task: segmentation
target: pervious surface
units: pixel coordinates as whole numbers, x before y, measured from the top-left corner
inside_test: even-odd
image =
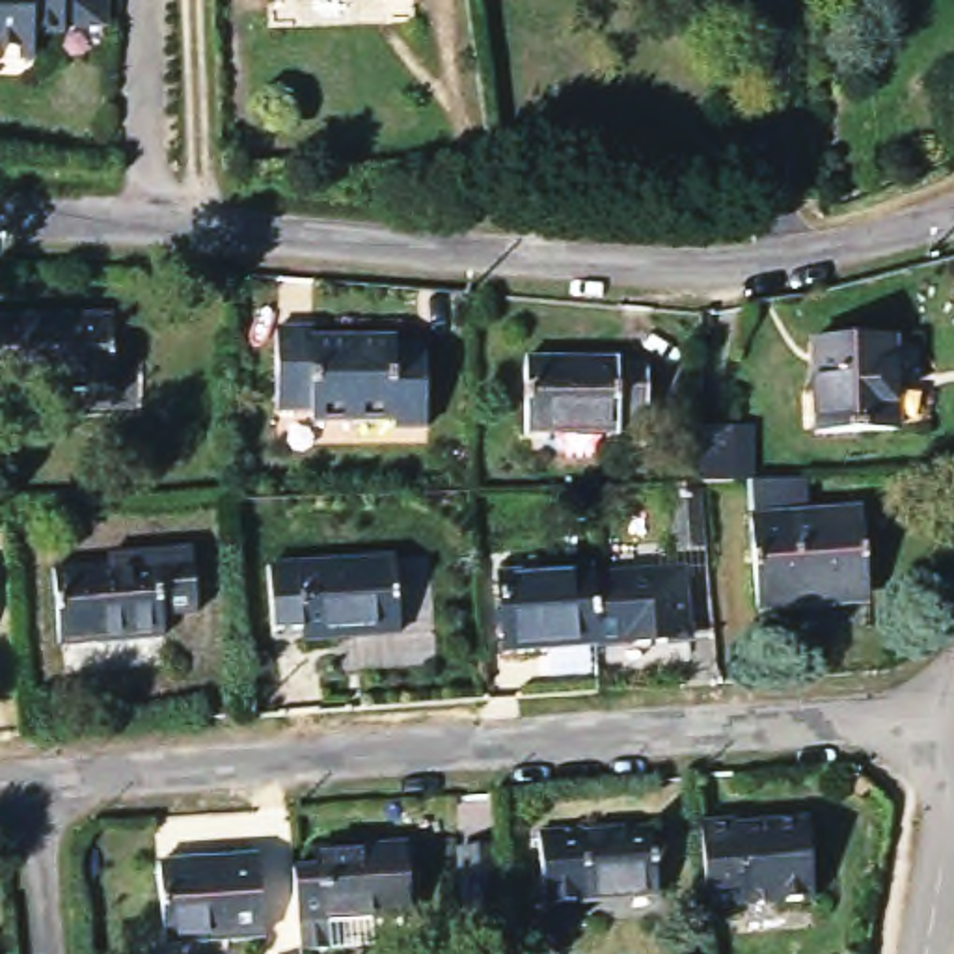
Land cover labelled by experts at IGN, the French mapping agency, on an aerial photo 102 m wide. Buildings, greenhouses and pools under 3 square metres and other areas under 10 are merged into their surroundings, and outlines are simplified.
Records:
[[[0,704],[0,756],[7,764],[26,760],[37,745],[19,734],[19,704],[7,697]]]
[[[97,522],[89,537],[71,533],[71,552],[112,548],[138,533],[212,533],[212,511],[164,514],[157,525],[145,525],[145,518],[138,514],[116,514]]]
[[[492,119],[484,75],[458,67],[458,52],[477,41],[470,0],[414,0],[414,11],[432,15],[443,71],[436,75],[417,60],[417,52],[410,48],[414,26],[406,19],[376,22],[406,75],[432,89],[451,134],[466,134],[470,127],[488,127]]]
[[[52,555],[37,559],[41,663],[45,675],[67,671],[63,648],[75,641],[63,619],[52,619],[52,593],[63,589],[60,563]]]
[[[160,637],[160,645],[183,641],[194,652],[194,663],[220,682],[216,596],[209,604],[194,600],[190,607],[183,607],[179,626],[160,630]]]
[[[581,935],[570,947],[555,947],[548,954],[663,954],[663,943],[656,935],[641,932],[641,913],[611,917],[600,906],[589,906]]]
[[[153,194],[186,201],[194,212],[220,198],[216,179],[212,123],[205,0],[179,0],[186,179],[175,183],[168,171],[171,116],[164,82],[164,0],[127,0],[127,45],[123,97],[127,134],[138,142],[138,160],[130,164],[119,194],[82,198],[82,209],[93,216],[145,216]]]
[[[529,827],[529,838],[540,872],[548,868],[548,824],[596,812],[663,812],[675,801],[686,786],[675,779],[656,790],[559,801],[555,809],[548,809],[540,824]]]
[[[283,708],[261,712],[261,719],[246,727],[253,730],[253,738],[298,738],[320,734],[328,727],[425,727],[473,719],[492,701],[488,697],[399,697],[320,708],[309,719],[291,719]]]

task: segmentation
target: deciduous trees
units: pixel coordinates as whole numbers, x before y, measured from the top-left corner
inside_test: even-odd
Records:
[[[30,682],[22,689],[11,686],[7,697],[19,704],[19,734],[37,745],[52,749],[82,738],[116,738],[108,730],[104,697],[97,697],[86,686],[41,689],[37,682]]]
[[[19,861],[22,868],[48,835],[48,790],[34,783],[0,783],[0,861]]]
[[[909,540],[920,540],[928,552],[954,548],[954,455],[947,455],[935,466],[894,473],[883,488],[883,511],[902,525]]]
[[[440,917],[421,924],[417,932],[402,928],[373,928],[358,954],[548,954],[555,947],[570,947],[581,935],[589,906],[559,902],[555,879],[544,879],[540,872],[529,838],[522,835],[511,842],[511,868],[496,868],[492,846],[481,846],[481,861],[462,865],[458,876],[462,898],[477,906],[473,920]]]
[[[760,0],[637,0],[637,15],[626,34],[637,34],[641,41],[682,34],[686,41],[693,41],[697,52],[712,56],[708,82],[716,89],[701,97],[701,108],[712,123],[764,116],[775,108],[812,108],[816,119],[831,127],[835,101],[865,101],[894,78],[898,56],[909,45],[909,37],[898,30],[894,0],[805,0],[805,19],[797,26],[768,26],[764,19],[749,15]]]
[[[294,130],[298,108],[291,89],[265,86],[261,93],[250,93],[239,104],[246,123],[272,134],[287,138]]]
[[[224,294],[209,279],[190,276],[183,265],[130,272],[130,287],[119,298],[138,306],[134,328],[149,335],[157,328],[194,324],[201,306],[224,302]]]
[[[634,410],[634,417],[622,421],[619,436],[596,443],[593,462],[604,473],[619,477],[619,484],[604,492],[604,503],[596,511],[574,514],[559,496],[552,496],[540,507],[540,552],[563,544],[596,544],[611,552],[611,544],[630,529],[630,518],[641,514],[641,488],[716,488],[719,477],[708,477],[697,466],[697,455],[693,432],[667,406],[652,402]]]
[[[954,52],[939,56],[924,75],[924,89],[932,101],[928,130],[947,149],[947,157],[954,157]]]
[[[745,626],[742,641],[727,637],[730,671],[723,678],[734,678],[742,689],[760,686],[812,682],[827,671],[820,648],[801,648],[786,630],[768,630],[760,619]]]
[[[287,145],[279,160],[257,160],[257,171],[250,179],[231,179],[227,171],[216,179],[220,198],[250,198],[261,190],[276,190],[283,201],[283,216],[380,224],[406,235],[462,235],[477,224],[492,224],[499,231],[615,246],[745,242],[771,235],[779,216],[764,198],[764,186],[749,183],[742,171],[723,171],[719,179],[652,179],[641,164],[611,160],[596,127],[566,130],[548,123],[548,130],[522,130],[511,142],[477,142],[473,157],[443,153],[429,168],[425,183],[417,183],[406,171],[380,171],[361,164],[335,183],[328,168],[332,157],[324,149],[313,149],[309,138]]]
[[[920,663],[924,671],[954,645],[954,619],[935,593],[924,593],[913,578],[898,578],[894,570],[879,589],[872,626],[894,656]]]
[[[86,425],[86,414],[67,410],[63,399],[45,384],[45,365],[37,354],[22,350],[19,343],[0,347],[0,514],[26,529],[37,559],[52,555],[60,563],[71,552],[71,533],[89,537],[97,522],[116,514],[127,492],[153,492],[153,470],[134,451],[127,451],[112,432],[86,440],[78,470],[67,481],[37,477],[37,470],[48,462],[48,447],[63,432]]]

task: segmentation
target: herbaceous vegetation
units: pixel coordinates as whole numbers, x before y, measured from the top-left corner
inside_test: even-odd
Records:
[[[619,477],[604,473],[593,462],[559,455],[555,447],[533,447],[529,440],[522,440],[522,410],[518,365],[529,361],[533,350],[540,350],[548,339],[611,339],[615,354],[622,354],[622,421],[634,417],[634,410],[634,384],[652,384],[652,402],[667,406],[693,432],[697,455],[712,447],[716,429],[734,425],[734,417],[756,414],[764,421],[764,458],[756,462],[753,477],[794,477],[797,470],[794,462],[805,458],[920,455],[932,440],[947,455],[954,455],[954,384],[939,384],[935,395],[924,395],[920,421],[909,421],[898,429],[891,425],[887,432],[861,436],[812,436],[801,425],[805,395],[801,388],[809,361],[794,358],[775,335],[756,354],[756,373],[742,380],[730,361],[719,358],[727,328],[723,320],[701,324],[704,302],[660,302],[648,287],[615,283],[615,276],[600,268],[593,272],[593,283],[600,283],[604,294],[578,298],[566,283],[555,279],[443,279],[324,268],[313,283],[313,309],[335,317],[369,313],[361,320],[369,332],[395,328],[399,376],[429,380],[429,421],[429,440],[484,440],[484,462],[492,477],[544,477],[555,462],[581,466],[559,496],[574,514],[596,511],[604,503],[604,492],[619,484]],[[488,294],[496,309],[488,354],[499,358],[499,399],[477,399],[477,373],[462,373],[462,335],[455,335],[455,306],[470,302],[470,294]]]
[[[712,935],[693,932],[682,913],[682,898],[693,891],[697,879],[686,865],[675,887],[648,894],[648,909],[641,913],[641,932],[656,935],[663,943],[663,954],[716,954]]]
[[[201,943],[201,935],[183,935],[160,924],[160,906],[153,872],[157,831],[149,820],[116,820],[104,831],[101,846],[86,846],[82,883],[89,894],[93,924],[89,954],[265,954],[268,947],[235,943],[220,950],[212,943]]]
[[[220,119],[220,41],[212,30],[212,0],[205,0],[212,123]]]
[[[168,820],[257,812],[253,801],[231,794],[164,794],[149,805],[164,805]]]
[[[842,667],[827,671],[812,682],[760,686],[768,701],[879,701],[883,693],[902,689],[924,671],[920,663],[894,656],[872,626],[853,626]]]
[[[436,75],[443,71],[432,15],[414,11],[406,19],[414,26],[410,48],[417,52],[417,60]]]
[[[261,291],[253,298],[257,317],[250,339],[272,365],[272,417],[279,410],[291,410],[279,399],[279,324],[287,324],[291,317],[279,306],[279,287]]]
[[[596,693],[574,701],[522,701],[518,712],[555,716],[607,708]]]
[[[861,373],[879,373],[902,399],[924,373],[954,369],[954,265],[879,276],[876,283],[812,287],[801,298],[775,298],[783,306],[786,324],[805,343],[809,335],[853,328],[861,347]]]
[[[909,540],[902,525],[883,511],[883,488],[894,473],[865,470],[812,484],[812,503],[827,503],[838,492],[868,488],[861,496],[872,552],[868,581],[879,589],[894,570],[898,578],[913,578],[924,593],[935,593],[954,619],[954,548],[928,552],[920,540]]]
[[[335,790],[406,790],[417,797],[417,805],[324,805],[309,816],[317,838],[343,831],[350,824],[417,827],[410,835],[414,913],[402,917],[402,928],[417,932],[421,924],[440,917],[473,920],[477,906],[462,898],[458,876],[462,865],[481,861],[481,846],[492,846],[488,827],[458,831],[458,801],[466,794],[492,797],[499,794],[499,786],[514,783],[529,786],[566,779],[615,779],[615,771],[600,760],[525,760],[511,764],[507,771],[414,771],[384,779],[350,779]]]
[[[294,466],[306,451],[294,451],[272,421],[265,429],[268,466]]]
[[[716,771],[716,783],[723,801],[816,797],[820,783],[812,775],[805,775],[801,783],[764,783],[760,771],[816,768],[824,760],[842,756],[846,749],[842,742],[835,742],[775,756],[734,753],[675,760],[652,760],[634,753],[626,771],[626,779],[648,775],[656,790],[675,779],[693,768],[697,775]]]
[[[734,678],[723,678],[719,686],[701,686],[693,678],[686,678],[675,689],[626,686],[626,701],[619,701],[615,708],[727,704],[742,689]]]
[[[660,552],[678,555],[678,552],[671,525],[678,503],[689,503],[693,540],[704,544],[723,540],[719,607],[727,637],[742,641],[745,626],[760,619],[764,611],[753,481],[719,477],[716,488],[641,488],[641,514],[630,518],[630,529],[630,537],[648,533],[660,544]]]
[[[216,488],[216,477],[171,481],[168,470],[201,447],[209,429],[201,373],[212,361],[212,335],[227,324],[224,302],[201,306],[194,324],[157,328],[149,335],[149,358],[160,365],[168,384],[145,388],[142,410],[116,414],[108,421],[93,417],[89,410],[86,414],[86,425],[63,432],[48,447],[48,462],[37,470],[37,477],[67,481],[78,470],[86,440],[112,432],[127,451],[134,451],[153,470],[153,492]]]
[[[947,157],[947,149],[928,130],[932,101],[924,89],[924,75],[939,56],[954,52],[954,0],[894,0],[898,30],[909,37],[909,45],[898,56],[894,78],[865,101],[835,101],[831,127],[816,119],[812,108],[775,108],[764,116],[712,123],[701,108],[701,97],[716,89],[708,82],[712,56],[697,52],[693,41],[686,41],[682,34],[641,41],[637,34],[626,34],[637,15],[637,0],[470,0],[477,41],[458,52],[458,67],[484,75],[492,119],[488,127],[470,127],[466,134],[451,134],[432,89],[406,75],[376,22],[276,30],[268,26],[268,11],[276,0],[231,0],[231,60],[239,104],[250,93],[261,93],[265,86],[291,89],[298,108],[294,130],[287,138],[272,134],[276,145],[287,145],[309,138],[313,149],[324,149],[332,157],[328,168],[335,183],[361,164],[380,171],[406,171],[417,183],[425,183],[429,168],[443,153],[473,157],[477,142],[511,142],[522,130],[548,130],[548,123],[566,130],[596,127],[611,160],[641,164],[652,179],[719,179],[723,171],[742,171],[749,183],[764,186],[764,198],[779,216],[801,209],[809,224],[824,224],[831,212],[824,212],[820,201],[809,198],[809,186],[816,183],[816,164],[835,130],[850,142],[853,157],[853,205],[920,183],[906,164],[872,157],[879,142],[920,127],[932,175],[954,171],[954,157]]]
[[[86,138],[93,130],[93,112],[104,97],[101,75],[86,52],[71,56],[52,89],[34,89],[22,75],[0,71],[0,119]]]
[[[894,824],[891,797],[868,779],[853,783],[850,805],[853,835],[838,861],[838,879],[820,898],[786,894],[775,906],[775,913],[812,913],[809,928],[734,932],[734,954],[850,954],[853,943],[868,939],[868,928],[857,920],[857,906],[868,898],[876,902],[879,865],[891,850]]]
[[[276,641],[268,630],[261,570],[261,514],[253,499],[239,499],[242,596],[257,660],[253,712],[261,712],[283,708],[283,652],[283,641]]]

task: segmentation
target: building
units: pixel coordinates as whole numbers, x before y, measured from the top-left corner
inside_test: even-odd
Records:
[[[671,525],[678,552],[704,552],[704,544],[693,540],[689,503],[678,503]]]
[[[529,414],[529,429],[585,432],[596,443],[619,436],[622,421],[622,354],[615,354],[611,339],[548,339],[540,350],[533,350],[529,361],[518,365],[522,410]]]
[[[675,887],[686,865],[686,816],[675,801],[663,812],[596,812],[548,824],[548,868],[540,872],[544,879],[555,879],[559,902],[589,906],[600,906],[611,917],[641,913],[648,909],[648,894]]]
[[[723,801],[716,783],[701,786],[708,850],[704,876],[727,887],[745,909],[756,898],[775,906],[786,894],[820,898],[838,879],[838,861],[853,835],[850,805],[831,805],[816,797]]]
[[[712,447],[697,455],[697,466],[708,477],[719,477],[753,481],[764,611],[786,607],[801,596],[824,596],[835,604],[850,604],[853,626],[872,626],[879,589],[868,581],[872,552],[861,496],[868,488],[838,492],[827,503],[812,503],[812,484],[797,470],[794,477],[753,477],[756,462],[764,458],[764,421],[756,414],[734,417],[734,425],[716,429]]]
[[[652,384],[634,384],[634,410],[652,402]]]
[[[142,410],[145,388],[168,384],[160,365],[149,358],[149,335],[134,328],[138,306],[119,298],[112,298],[108,291],[67,294],[41,283],[19,283],[15,272],[0,272],[0,347],[19,343],[22,350],[37,354],[45,365],[45,384],[63,399],[67,410],[86,414],[89,410],[93,417],[108,421],[116,414]]]
[[[429,421],[429,380],[399,376],[395,328],[369,332],[361,320],[369,313],[335,317],[313,309],[291,317],[287,324],[279,324],[279,399],[291,410],[317,410],[324,417],[391,417],[399,425]]]
[[[168,857],[168,902],[160,906],[160,924],[183,935],[201,935],[201,943],[212,943],[220,950],[235,943],[268,947],[276,939],[276,924],[283,920],[287,883],[294,876],[302,876],[302,939],[324,932],[332,913],[402,917],[414,913],[410,835],[417,827],[350,824],[343,831],[317,838],[298,868],[291,861],[287,842],[183,842]]]
[[[216,596],[220,585],[212,533],[138,533],[112,548],[71,552],[60,563],[63,589],[52,593],[52,619],[63,619],[75,641],[160,637],[160,630],[179,626],[183,607],[190,607],[194,600],[209,604]]]
[[[71,56],[86,52],[101,45],[104,22],[119,34],[119,45],[127,45],[127,0],[0,0],[0,71],[22,75],[52,37],[63,41]]]
[[[865,417],[891,425],[898,429],[909,421],[902,399],[879,373],[861,373],[861,347],[853,328],[809,335],[805,343],[812,354],[809,361],[801,388],[805,395],[812,395],[820,425],[850,425]]]
[[[283,641],[283,652],[309,652],[373,634],[399,634],[417,619],[425,593],[432,585],[436,552],[414,540],[298,544],[276,559],[276,566],[261,570],[268,630],[276,641]]]
[[[686,566],[678,555],[660,552],[619,559],[611,552],[596,544],[563,544],[540,552],[492,552],[488,593],[492,637],[499,652],[544,652],[566,645],[593,648],[626,645],[637,637],[686,637],[704,630],[704,574]]]

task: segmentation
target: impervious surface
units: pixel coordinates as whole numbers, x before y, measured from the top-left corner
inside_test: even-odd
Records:
[[[75,641],[63,648],[67,671],[78,671],[86,660],[116,652],[138,652],[138,660],[153,660],[160,645],[160,637]]]
[[[279,306],[291,317],[313,309],[313,283],[324,268],[443,279],[555,279],[566,283],[578,298],[604,294],[600,283],[593,283],[593,272],[600,268],[615,276],[615,283],[648,287],[660,302],[704,302],[701,324],[723,320],[727,328],[738,324],[742,298],[749,298],[756,302],[756,317],[771,320],[775,335],[794,358],[809,361],[812,354],[805,343],[786,324],[783,306],[775,298],[801,298],[812,287],[876,283],[879,276],[954,265],[954,171],[932,175],[920,183],[853,205],[831,212],[824,224],[809,224],[801,209],[779,216],[771,235],[745,242],[615,246],[499,231],[492,224],[477,224],[462,235],[406,235],[380,224],[283,216],[283,201],[276,190],[261,190],[250,198],[220,198],[194,212],[186,201],[153,194],[145,216],[93,216],[82,209],[82,198],[52,201],[45,179],[37,175],[0,175],[0,272],[15,272],[19,283],[41,283],[41,265],[130,272],[183,265],[190,276],[209,279],[224,294],[239,279],[257,279],[261,291],[279,287]]]
[[[745,909],[734,917],[734,932],[809,928],[812,913],[775,913],[775,906],[756,898]]]
[[[332,913],[324,932],[302,939],[302,876],[294,876],[287,883],[283,920],[276,924],[276,939],[268,947],[265,954],[358,954],[373,928],[402,928],[402,917]]]
[[[760,0],[749,15],[764,19],[768,26],[797,26],[805,19],[805,0]]]
[[[291,410],[279,410],[272,417],[272,421],[294,451],[306,451],[332,443],[414,447],[429,440],[429,421],[399,425],[391,417],[324,417],[317,410]]]
[[[317,663],[328,656],[343,656],[347,686],[361,686],[365,667],[414,667],[432,660],[436,600],[425,593],[417,619],[399,634],[373,634],[309,652],[283,652],[283,708],[291,719],[309,719],[320,708]]]
[[[801,648],[820,648],[827,671],[842,667],[853,626],[850,604],[835,604],[824,596],[801,596],[786,607],[764,611],[760,619],[768,630],[786,630]]]
[[[902,399],[909,421],[920,421],[924,395],[935,395],[939,384],[954,384],[954,369],[924,373]]]
[[[555,447],[559,455],[593,462],[596,443],[585,432],[529,429],[529,414],[522,410],[522,440],[529,440],[533,447]]]
[[[268,11],[268,26],[276,30],[376,22],[406,19],[414,11],[414,0],[276,0]]]
[[[611,544],[611,552],[619,559],[660,552],[660,544],[648,533],[630,537],[630,529]]]
[[[153,872],[160,906],[168,902],[168,857],[183,842],[287,842],[287,797],[302,794],[306,786],[313,786],[317,794],[335,790],[350,779],[384,779],[414,771],[507,771],[511,764],[525,760],[600,760],[615,771],[626,771],[634,753],[652,760],[675,760],[734,753],[775,756],[835,742],[842,742],[846,749],[872,753],[872,760],[906,794],[894,879],[883,913],[883,954],[954,954],[954,645],[924,671],[902,689],[883,693],[879,701],[768,701],[760,686],[742,689],[727,704],[615,708],[607,708],[555,716],[518,712],[522,701],[574,701],[596,693],[596,686],[529,689],[525,682],[540,675],[589,675],[607,660],[645,667],[686,660],[697,663],[693,678],[701,686],[719,686],[723,678],[730,671],[727,637],[719,607],[723,540],[704,544],[704,552],[678,552],[678,555],[686,566],[704,574],[704,630],[686,637],[637,637],[626,645],[593,648],[566,645],[544,652],[499,652],[499,675],[488,697],[492,701],[473,719],[425,727],[328,727],[320,734],[298,738],[253,738],[253,730],[246,727],[224,742],[212,730],[116,738],[82,738],[52,749],[37,745],[26,760],[7,764],[0,756],[0,783],[34,783],[48,790],[48,835],[22,868],[34,954],[67,954],[60,909],[60,850],[67,842],[71,824],[86,820],[104,805],[149,805],[164,794],[231,794],[253,801],[257,812],[168,820],[157,831]]]
[[[458,831],[488,827],[492,797],[466,794],[458,801]]]
[[[861,436],[887,432],[891,425],[865,417],[850,425],[820,425],[812,395],[805,395],[801,425],[812,436]]]

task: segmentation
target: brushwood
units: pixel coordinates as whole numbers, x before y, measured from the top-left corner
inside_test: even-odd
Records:
[[[525,682],[529,689],[596,686],[596,693],[607,708],[615,708],[619,701],[626,701],[626,686],[675,689],[686,678],[693,678],[697,663],[686,660],[645,667],[607,660],[589,675],[540,675]]]
[[[119,194],[130,164],[138,160],[138,142],[127,134],[123,97],[127,45],[119,45],[119,34],[104,22],[101,45],[86,52],[101,75],[104,97],[93,112],[93,130],[86,138],[0,119],[0,175],[37,175],[45,179],[52,201],[82,198]]]
[[[19,861],[0,861],[0,954],[34,954],[22,868]]]
[[[52,89],[71,56],[63,41],[52,37],[22,75],[34,89]]]
[[[496,868],[511,868],[511,842],[522,835],[529,838],[529,827],[540,824],[548,809],[555,809],[559,801],[656,790],[648,775],[626,779],[626,771],[615,771],[615,779],[566,779],[529,786],[514,783],[499,786],[499,794],[492,797],[488,827],[492,846]]]
[[[686,786],[675,801],[686,816],[686,865],[697,879],[693,891],[682,898],[682,913],[693,932],[712,935],[716,954],[734,954],[734,932],[734,917],[745,909],[727,887],[704,876],[708,850],[701,786],[716,783],[716,771],[697,775],[693,768],[675,779]]]
[[[932,440],[920,455],[805,458],[794,462],[797,470],[812,484],[865,470],[894,473],[935,466],[947,455]]]
[[[216,179],[227,171],[231,179],[250,179],[257,171],[257,160],[279,160],[287,145],[276,145],[272,134],[246,123],[239,104],[231,60],[231,0],[212,0],[212,30],[220,41],[220,119],[212,123]]]
[[[477,399],[499,399],[499,358],[488,354],[496,309],[488,294],[470,294],[470,302],[455,306],[455,335],[462,335],[462,373],[477,373]]]
[[[171,116],[168,171],[175,183],[186,179],[179,0],[164,0],[164,82]]]
[[[872,753],[846,749],[842,756],[824,760],[816,768],[760,771],[764,783],[801,783],[805,775],[812,775],[820,783],[816,797],[831,805],[850,805],[853,783],[868,779],[891,797],[894,824],[891,850],[879,865],[876,902],[868,898],[857,906],[857,920],[868,928],[868,939],[853,943],[850,954],[883,954],[883,913],[894,879],[906,794],[872,760]]]
[[[108,291],[112,298],[119,298],[130,287],[130,272],[41,265],[41,283],[67,294]]]
[[[309,816],[324,805],[417,805],[417,797],[406,790],[335,790],[317,794],[313,786],[306,786],[302,794],[287,797],[287,842],[291,861],[298,868],[317,838]]]
[[[157,831],[168,820],[164,805],[149,805],[104,805],[86,820],[71,824],[67,842],[60,850],[60,909],[67,954],[89,954],[93,924],[89,894],[82,883],[86,846],[101,846],[104,831],[116,820],[149,820]]]
[[[499,675],[499,652],[492,637],[488,593],[492,552],[540,552],[540,507],[552,496],[559,496],[581,466],[555,462],[544,477],[492,477],[484,462],[484,440],[429,440],[414,447],[332,443],[306,451],[294,466],[268,466],[265,429],[272,421],[272,417],[272,365],[250,339],[257,317],[253,298],[261,291],[257,279],[239,279],[224,294],[224,302],[227,324],[212,335],[212,361],[201,373],[209,429],[201,447],[168,470],[171,481],[216,477],[216,488],[153,492],[127,492],[116,514],[138,514],[145,518],[145,525],[157,525],[164,514],[212,511],[212,533],[220,585],[216,596],[220,682],[194,663],[194,652],[183,641],[160,645],[153,660],[138,660],[138,652],[116,652],[86,660],[78,671],[67,671],[45,675],[41,663],[37,559],[26,529],[0,514],[0,704],[7,697],[11,686],[22,689],[30,682],[37,682],[41,689],[86,686],[97,697],[104,697],[108,730],[116,738],[212,730],[224,742],[246,727],[261,719],[261,712],[253,712],[257,660],[242,596],[239,499],[253,499],[261,514],[261,570],[276,566],[276,559],[298,544],[414,540],[436,552],[432,585],[425,593],[436,600],[432,660],[414,667],[365,667],[361,686],[347,686],[343,656],[328,656],[317,663],[320,708],[399,697],[488,697]]]
[[[906,164],[920,183],[932,175],[920,127],[879,142],[872,157]]]
[[[719,358],[730,361],[742,380],[756,373],[756,354],[775,335],[771,320],[756,317],[756,302],[749,298],[742,298],[738,324],[727,328]]]
[[[835,130],[816,164],[816,183],[809,186],[809,198],[820,201],[824,212],[831,212],[853,205],[853,157],[850,142]]]

